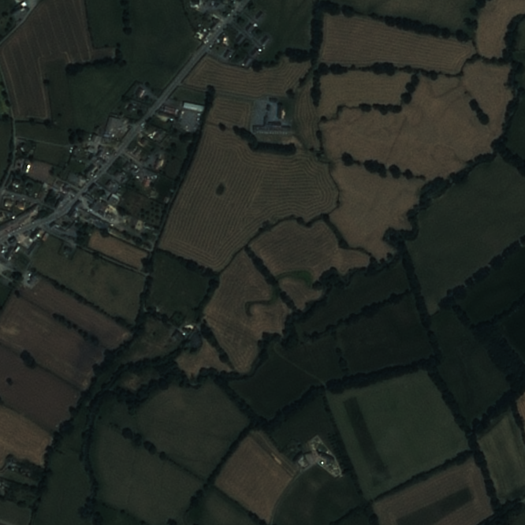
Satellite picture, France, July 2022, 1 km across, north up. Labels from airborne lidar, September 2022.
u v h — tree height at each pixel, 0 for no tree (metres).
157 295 0
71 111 0
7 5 0
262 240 0
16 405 0
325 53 0
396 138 0
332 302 0
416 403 0
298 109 0
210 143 0
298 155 0
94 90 0
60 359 0
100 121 0
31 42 0
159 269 0
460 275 0
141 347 0
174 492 0
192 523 0
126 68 0
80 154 0
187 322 0
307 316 10
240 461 0
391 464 0
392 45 0
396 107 9
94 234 0
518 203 0
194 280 0
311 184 0
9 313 0
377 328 0
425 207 6
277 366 0
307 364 0
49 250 0
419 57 0
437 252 0
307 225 6
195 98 0
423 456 0
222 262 0
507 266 0
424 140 0
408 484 10
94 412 13
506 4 0
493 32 0
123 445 0
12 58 0
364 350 0
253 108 0
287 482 0
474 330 13
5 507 0
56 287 16
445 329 0
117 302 0
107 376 0
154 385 15
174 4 0
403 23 15
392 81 0
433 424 0
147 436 0
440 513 0
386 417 0
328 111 0
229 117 0
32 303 0
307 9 0
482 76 0
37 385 0
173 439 0
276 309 0
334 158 0
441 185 17
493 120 0
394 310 0
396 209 0
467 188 0
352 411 0
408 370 12
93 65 8
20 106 0
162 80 0
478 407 0
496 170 0
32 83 0
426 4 0
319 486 0
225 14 6
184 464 0
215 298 0
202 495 11
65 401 0
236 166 0
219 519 0
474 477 0
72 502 0
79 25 0
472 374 0
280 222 0
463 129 0
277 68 0
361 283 0
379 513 0
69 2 0
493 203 0
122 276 0
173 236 0
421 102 0
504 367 9
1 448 0
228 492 0
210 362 0
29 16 0
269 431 7
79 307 0
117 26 0
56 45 0
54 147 0
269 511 0
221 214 0
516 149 0
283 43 0
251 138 20
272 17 0
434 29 15
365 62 0
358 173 0
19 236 0
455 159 0
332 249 0
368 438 0
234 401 10
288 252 0
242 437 10
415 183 0
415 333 0
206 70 0
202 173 0
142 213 6
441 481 0
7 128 0
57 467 0
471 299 0
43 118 0
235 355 0
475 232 0
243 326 0
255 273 0
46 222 0
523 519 0
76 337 0
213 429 0
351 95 0
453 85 0
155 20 0
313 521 0
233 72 0
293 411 17
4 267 0
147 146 0
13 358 0
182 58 0
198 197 0
